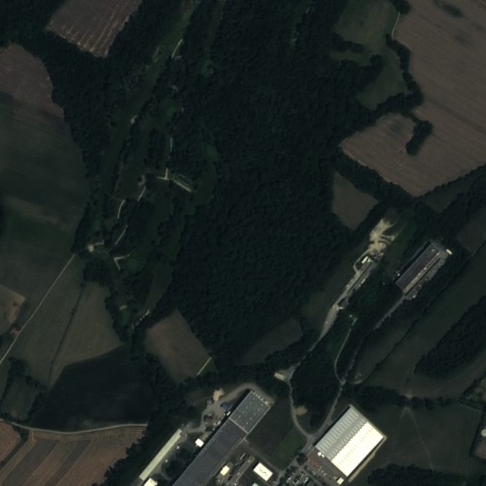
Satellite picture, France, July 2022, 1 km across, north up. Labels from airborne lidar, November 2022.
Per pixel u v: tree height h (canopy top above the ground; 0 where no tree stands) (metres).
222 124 30
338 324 7
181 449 0
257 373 22
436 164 0
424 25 0
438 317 0
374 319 17
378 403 21
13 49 0
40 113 0
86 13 0
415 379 0
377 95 0
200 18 22
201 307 23
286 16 7
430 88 0
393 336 0
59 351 0
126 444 0
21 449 0
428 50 0
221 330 24
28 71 0
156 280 0
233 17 13
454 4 0
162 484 18
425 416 0
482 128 0
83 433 0
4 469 0
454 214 21
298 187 24
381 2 0
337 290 0
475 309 18
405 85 0
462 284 0
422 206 16
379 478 22
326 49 30
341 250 22
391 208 0
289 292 21
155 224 0
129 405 0
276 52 23
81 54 18
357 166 20
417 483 21
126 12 0
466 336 10
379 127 0
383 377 0
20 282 0
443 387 0
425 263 0
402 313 9
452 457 0
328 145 13
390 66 0
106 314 0
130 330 12
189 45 20
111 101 29
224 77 24
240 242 20
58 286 0
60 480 0
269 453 0
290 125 33
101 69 21
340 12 22
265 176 27
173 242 0
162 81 18
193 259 27
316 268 26
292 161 19
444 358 8
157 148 20
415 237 6
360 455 0
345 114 24
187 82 30
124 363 0
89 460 0
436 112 0
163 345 0
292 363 13
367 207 0
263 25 18
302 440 0
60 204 0
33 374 0
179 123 29
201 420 0
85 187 0
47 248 0
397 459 0
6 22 27
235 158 29
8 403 0
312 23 10
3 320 0
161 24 32
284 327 0
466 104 0
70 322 0
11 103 0
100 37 0
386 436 0
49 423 0
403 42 0
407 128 0
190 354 0
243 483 0
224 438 0
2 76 0
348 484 0
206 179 0
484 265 0
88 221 19
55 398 0
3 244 0
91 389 0
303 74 23
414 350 0
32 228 0
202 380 22
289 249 22
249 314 24
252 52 23
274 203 18
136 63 23
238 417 0
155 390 19
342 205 0
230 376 22
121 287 0
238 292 19
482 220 0
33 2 23
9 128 0
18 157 0
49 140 0
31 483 0
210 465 0
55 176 0
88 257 23
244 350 18
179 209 15
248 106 28
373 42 0
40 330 0
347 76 25
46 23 19
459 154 0
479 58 0
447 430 0
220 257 29
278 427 0
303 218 22
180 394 26
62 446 0
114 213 9
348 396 8
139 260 0
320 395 18
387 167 0
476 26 0
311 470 0
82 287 7
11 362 7
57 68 24
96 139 25
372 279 7
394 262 0
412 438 0
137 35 22
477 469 0
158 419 24
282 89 27
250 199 24
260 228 19
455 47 0
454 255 11
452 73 0
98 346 0
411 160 0
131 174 0
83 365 0
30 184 0
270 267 20
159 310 11
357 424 0
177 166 25
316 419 15
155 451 0
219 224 18
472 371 0
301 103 26
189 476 0
